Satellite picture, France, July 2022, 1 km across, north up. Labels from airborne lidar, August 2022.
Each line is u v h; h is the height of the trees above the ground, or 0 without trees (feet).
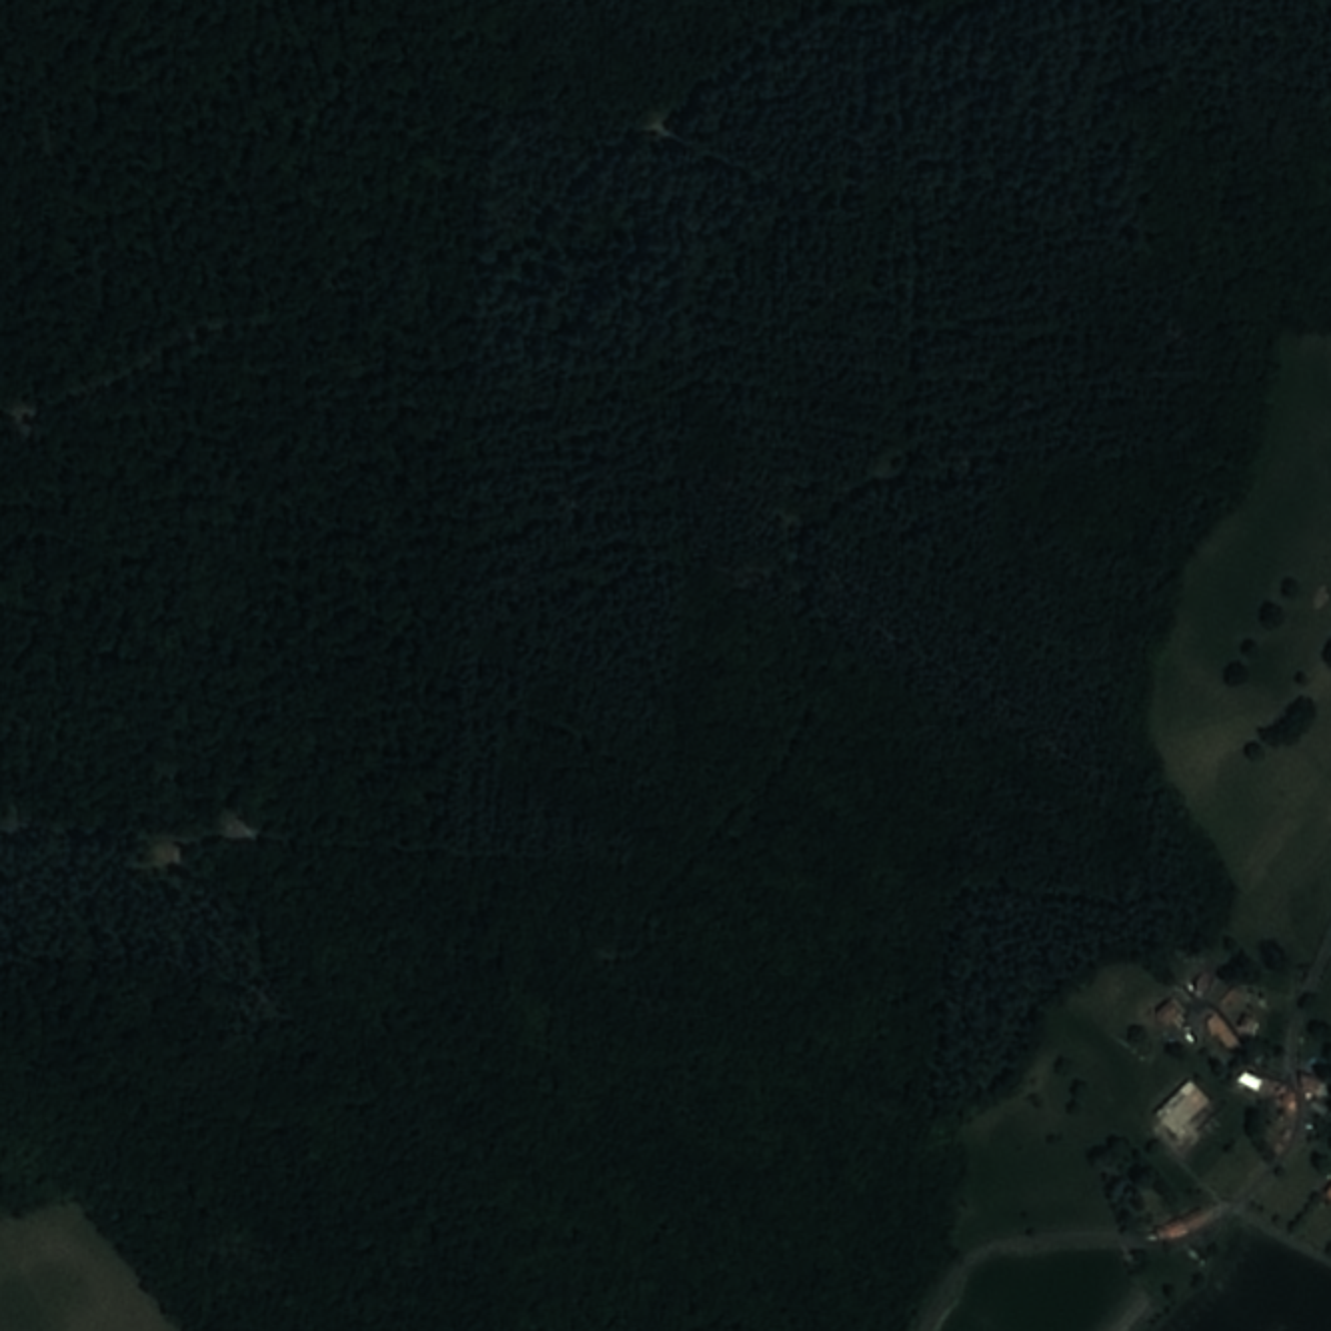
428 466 57
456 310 83
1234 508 48
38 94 65
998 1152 0
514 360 113
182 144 67
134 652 52
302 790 59
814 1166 55
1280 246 43
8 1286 0
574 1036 48
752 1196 51
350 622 71
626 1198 52
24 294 68
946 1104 71
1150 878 73
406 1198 72
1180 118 79
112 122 77
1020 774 62
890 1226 56
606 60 67
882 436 51
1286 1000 0
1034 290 76
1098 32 112
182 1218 55
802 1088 54
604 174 110
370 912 48
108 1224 55
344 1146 51
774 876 53
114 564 63
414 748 65
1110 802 55
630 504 50
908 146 91
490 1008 54
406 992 58
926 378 56
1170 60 99
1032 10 108
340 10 72
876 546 53
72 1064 50
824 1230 53
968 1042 101
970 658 85
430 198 58
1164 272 52
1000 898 82
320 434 72
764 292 71
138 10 67
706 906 56
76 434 65
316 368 76
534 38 62
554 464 51
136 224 58
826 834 75
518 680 74
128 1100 71
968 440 58
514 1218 53
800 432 67
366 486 55
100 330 58
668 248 114
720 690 52
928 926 66
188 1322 52
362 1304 60
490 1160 62
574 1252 61
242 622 65
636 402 54
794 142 99
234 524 28
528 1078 57
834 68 103
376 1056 75
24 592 41
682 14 69
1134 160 104
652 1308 51
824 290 72
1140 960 46
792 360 50
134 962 63
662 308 123
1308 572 0
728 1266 52
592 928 44
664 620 83
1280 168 65
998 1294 0
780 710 62
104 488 56
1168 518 52
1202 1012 0
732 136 88
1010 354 43
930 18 75
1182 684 0
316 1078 57
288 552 60
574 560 48
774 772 45
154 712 69
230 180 59
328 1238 53
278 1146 66
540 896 65
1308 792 0
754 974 51
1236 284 45
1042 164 105
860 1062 56
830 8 100
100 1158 49
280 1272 54
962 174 94
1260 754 51
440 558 57
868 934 51
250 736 69
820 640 66
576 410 47
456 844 67
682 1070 42
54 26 64
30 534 28
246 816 56
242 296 57
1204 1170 0
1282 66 82
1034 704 66
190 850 31
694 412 66
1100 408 67
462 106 52
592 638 42
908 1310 37
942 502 85
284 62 72
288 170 58
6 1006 72
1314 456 0
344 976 57
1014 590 51
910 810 51
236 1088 56
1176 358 58
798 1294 54
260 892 62
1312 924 0
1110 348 55
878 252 54
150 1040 59
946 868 48
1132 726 70
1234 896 65
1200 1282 41
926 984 54
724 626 59
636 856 57
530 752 70
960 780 49
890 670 51
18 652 45
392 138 63
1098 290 56
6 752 67
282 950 58
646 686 41
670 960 56
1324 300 47
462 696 71
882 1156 48
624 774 36
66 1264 0
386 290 73
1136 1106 0
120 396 62
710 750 55
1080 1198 0
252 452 65
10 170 75
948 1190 55
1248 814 0
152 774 55
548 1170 61
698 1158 54
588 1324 50
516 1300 54
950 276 72
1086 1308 0
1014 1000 112
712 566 64
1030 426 65
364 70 31
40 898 95
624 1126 56
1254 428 55
